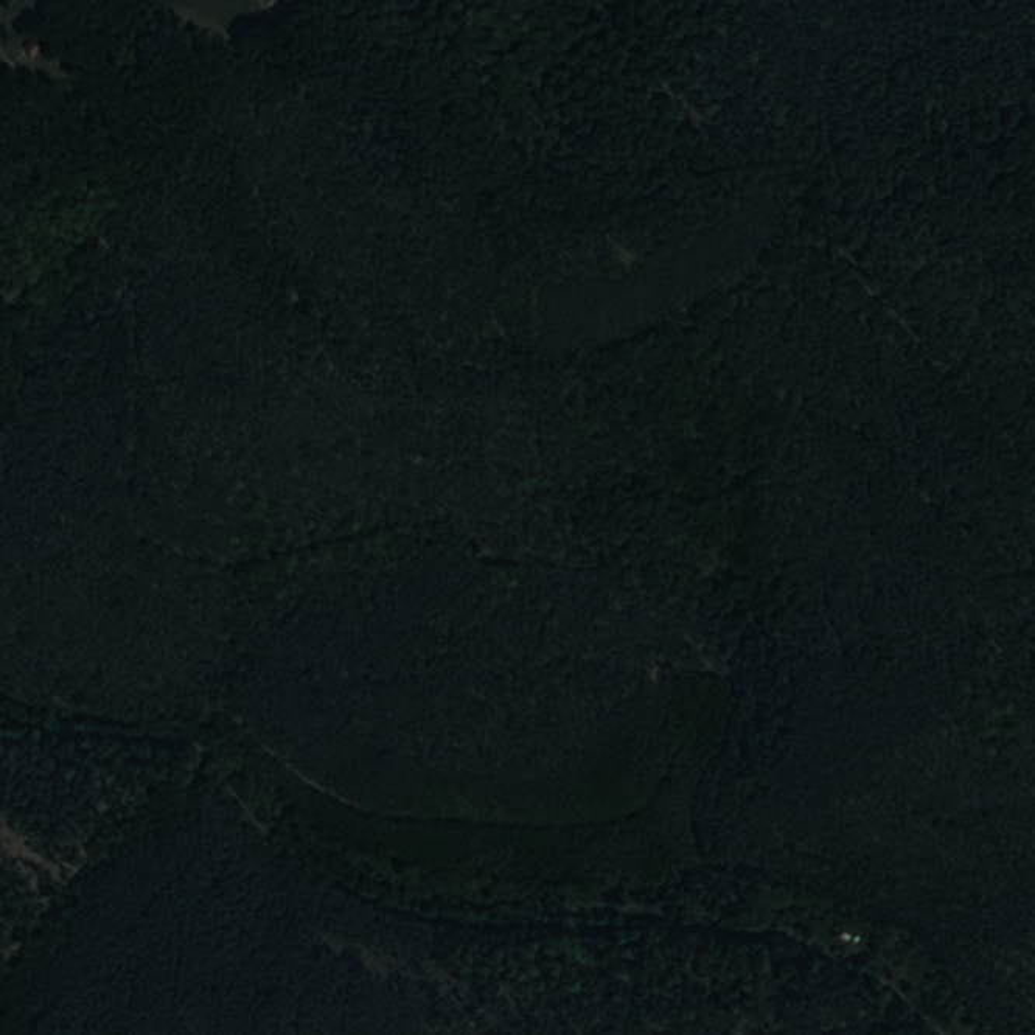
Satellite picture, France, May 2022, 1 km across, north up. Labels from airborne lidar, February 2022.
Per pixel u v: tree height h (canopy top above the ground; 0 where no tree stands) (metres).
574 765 15
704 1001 27
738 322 20
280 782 23
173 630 21
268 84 21
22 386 31
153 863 17
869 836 21
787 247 25
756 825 16
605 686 20
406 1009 22
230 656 22
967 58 25
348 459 17
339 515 19
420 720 21
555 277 18
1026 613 27
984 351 27
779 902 22
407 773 15
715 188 22
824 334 23
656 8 28
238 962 23
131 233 21
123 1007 22
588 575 22
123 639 20
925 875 22
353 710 17
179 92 23
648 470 22
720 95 21
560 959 29
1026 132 32
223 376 19
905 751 17
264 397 21
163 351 23
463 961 29
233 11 0
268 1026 23
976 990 21
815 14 28
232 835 23
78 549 22
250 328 20
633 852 17
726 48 26
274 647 20
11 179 25
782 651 27
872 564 24
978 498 27
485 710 23
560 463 23
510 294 19
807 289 22
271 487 19
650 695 19
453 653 21
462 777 16
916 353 18
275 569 22
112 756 23
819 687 20
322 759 18
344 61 30
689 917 22
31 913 24
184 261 20
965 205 20
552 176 28
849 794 21
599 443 24
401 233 17
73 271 25
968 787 19
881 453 22
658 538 19
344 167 20
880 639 21
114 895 19
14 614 22
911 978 0
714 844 24
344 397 23
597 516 24
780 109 22
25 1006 17
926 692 20
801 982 32
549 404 14
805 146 25
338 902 25
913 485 24
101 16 26
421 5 32
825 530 24
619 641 22
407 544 25
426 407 20
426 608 20
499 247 17
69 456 22
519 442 19
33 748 29
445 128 26
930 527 25
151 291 23
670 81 26
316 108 22
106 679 22
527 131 35
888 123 30
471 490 21
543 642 20
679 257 21
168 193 25
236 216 21
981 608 26
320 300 21
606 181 22
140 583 18
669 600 22
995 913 20
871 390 26
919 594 20
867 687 18
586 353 19
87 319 22
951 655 18
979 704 21
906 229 25
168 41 22
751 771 25
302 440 18
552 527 22
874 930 19
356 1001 28
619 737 23
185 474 21
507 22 29
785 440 24
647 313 20
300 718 18
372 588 21
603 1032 24
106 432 21
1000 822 20
